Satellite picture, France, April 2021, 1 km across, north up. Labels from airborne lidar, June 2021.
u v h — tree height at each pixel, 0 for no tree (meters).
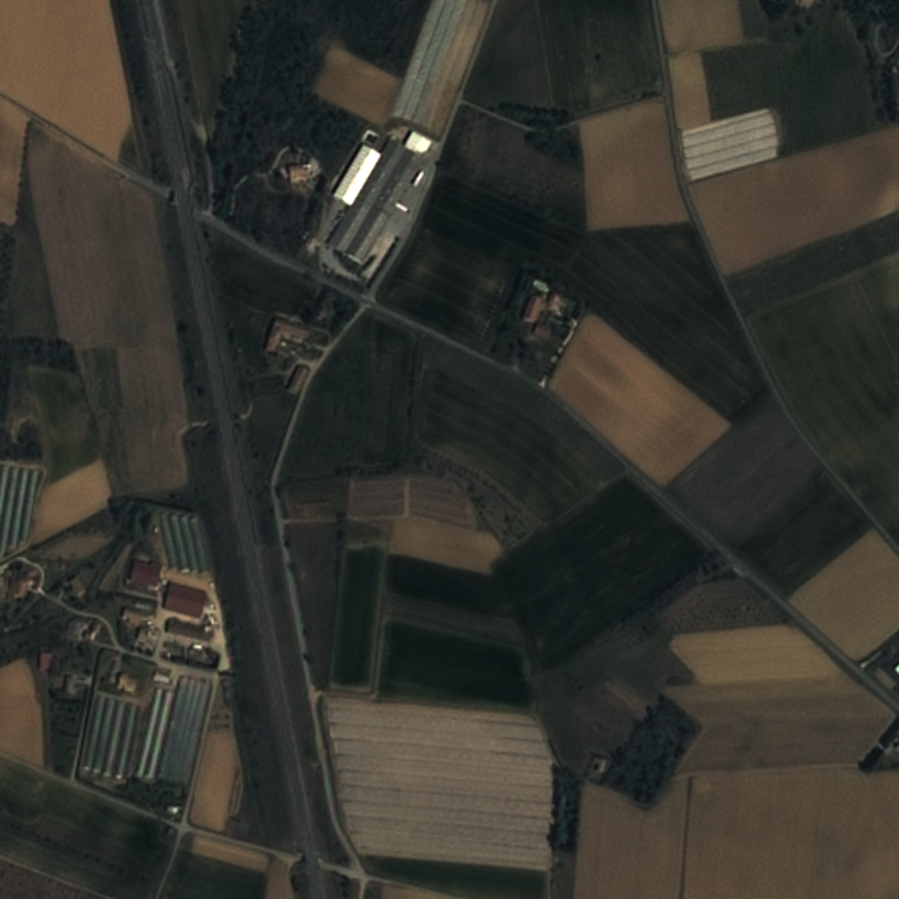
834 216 0
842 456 0
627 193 0
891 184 0
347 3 0
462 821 0
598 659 0
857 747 0
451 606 0
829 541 0
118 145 0
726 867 0
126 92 0
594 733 0
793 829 0
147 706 0
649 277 0
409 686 0
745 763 0
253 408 0
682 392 0
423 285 0
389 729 0
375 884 0
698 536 0
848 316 0
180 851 0
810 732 0
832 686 0
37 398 0
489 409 0
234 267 0
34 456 8
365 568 0
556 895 0
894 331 0
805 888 0
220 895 0
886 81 12
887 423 0
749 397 0
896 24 17
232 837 0
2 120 0
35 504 0
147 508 7
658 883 0
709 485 0
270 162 10
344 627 0
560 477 0
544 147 14
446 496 0
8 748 0
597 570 0
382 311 0
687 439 0
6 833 0
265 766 0
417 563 0
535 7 0
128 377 0
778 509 0
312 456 0
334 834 0
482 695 0
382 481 0
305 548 0
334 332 9
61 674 10
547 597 0
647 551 0
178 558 0
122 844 0
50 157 0
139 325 0
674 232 0
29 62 0
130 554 0
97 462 0
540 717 0
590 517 0
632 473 0
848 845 0
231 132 12
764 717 0
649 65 0
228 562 0
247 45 19
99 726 0
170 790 7
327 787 0
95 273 0
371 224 0
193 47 0
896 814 0
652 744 10
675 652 0
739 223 0
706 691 0
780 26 0
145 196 0
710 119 0
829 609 0
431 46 0
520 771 0
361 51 0
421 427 0
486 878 0
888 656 12
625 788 15
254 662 0
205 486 0
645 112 0
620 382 0
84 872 0
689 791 0
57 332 0
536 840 0
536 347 0
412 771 0
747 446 0
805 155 0
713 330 0
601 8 0
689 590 9
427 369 0
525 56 0
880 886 0
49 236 0
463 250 0
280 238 10
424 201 0
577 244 0
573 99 0
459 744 0
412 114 0
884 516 0
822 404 0
